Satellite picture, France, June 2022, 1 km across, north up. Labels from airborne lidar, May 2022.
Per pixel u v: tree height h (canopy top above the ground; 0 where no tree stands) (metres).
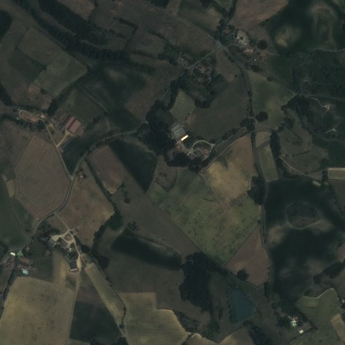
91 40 10
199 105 13
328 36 0
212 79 10
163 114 0
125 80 0
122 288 0
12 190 0
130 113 0
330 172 0
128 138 0
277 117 0
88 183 0
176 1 0
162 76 0
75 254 7
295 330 0
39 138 0
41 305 0
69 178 0
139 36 0
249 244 0
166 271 0
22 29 0
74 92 0
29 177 0
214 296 0
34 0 0
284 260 0
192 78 6
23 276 0
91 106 0
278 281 0
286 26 0
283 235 0
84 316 0
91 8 0
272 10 0
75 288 0
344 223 0
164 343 0
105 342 0
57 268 0
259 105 0
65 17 10
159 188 0
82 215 0
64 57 0
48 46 0
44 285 0
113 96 0
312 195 0
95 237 9
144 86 0
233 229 0
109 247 0
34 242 0
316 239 0
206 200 0
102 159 0
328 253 0
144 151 0
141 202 0
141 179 0
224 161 0
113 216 10
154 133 10
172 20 0
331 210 0
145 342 0
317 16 0
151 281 0
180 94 0
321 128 9
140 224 0
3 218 0
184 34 0
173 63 17
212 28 0
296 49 0
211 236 0
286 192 0
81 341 0
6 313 0
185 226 0
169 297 0
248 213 0
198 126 0
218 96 0
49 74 0
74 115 0
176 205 0
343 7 0
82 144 0
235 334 0
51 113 14
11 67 0
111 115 0
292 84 11
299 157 0
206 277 15
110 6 0
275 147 17
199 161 13
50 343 0
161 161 0
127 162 0
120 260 0
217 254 0
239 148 0
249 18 0
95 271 0
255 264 0
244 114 0
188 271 14
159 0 16
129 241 0
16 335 0
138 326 0
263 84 0
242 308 0
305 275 0
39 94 0
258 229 0
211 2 8
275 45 0
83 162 0
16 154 0
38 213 0
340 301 8
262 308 0
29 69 0
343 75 9
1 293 10
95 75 0
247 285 0
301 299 0
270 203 0
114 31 17
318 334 0
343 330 0
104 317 0
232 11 12
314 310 0
